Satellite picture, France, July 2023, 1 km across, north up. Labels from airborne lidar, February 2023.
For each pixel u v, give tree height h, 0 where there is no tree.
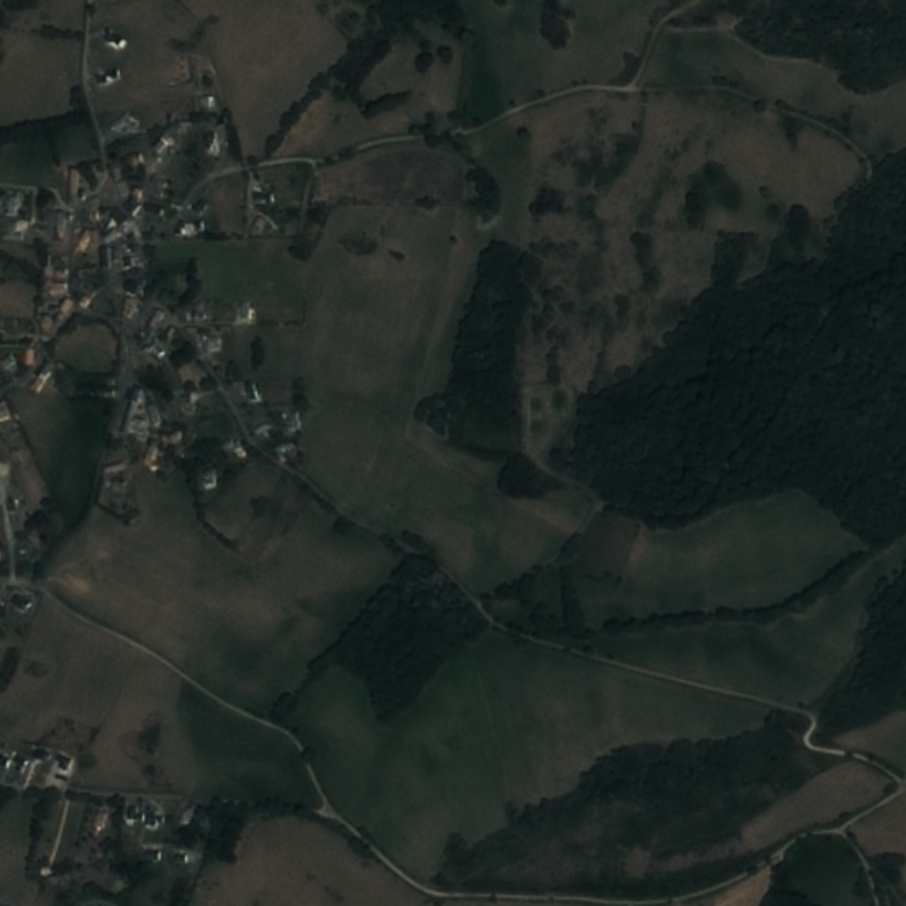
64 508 0
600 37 0
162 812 0
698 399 7
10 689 0
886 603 15
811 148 0
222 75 0
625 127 0
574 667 0
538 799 0
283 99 0
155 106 0
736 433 16
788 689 0
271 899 0
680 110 0
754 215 0
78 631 0
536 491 10
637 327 0
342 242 0
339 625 0
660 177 0
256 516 0
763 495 10
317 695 0
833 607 0
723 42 0
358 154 7
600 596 0
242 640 0
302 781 0
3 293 0
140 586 0
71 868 9
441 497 0
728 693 0
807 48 8
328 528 0
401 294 0
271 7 0
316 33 0
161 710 0
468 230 0
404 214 0
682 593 0
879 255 12
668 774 12
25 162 0
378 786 0
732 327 22
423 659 20
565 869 0
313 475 0
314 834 0
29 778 0
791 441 13
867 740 0
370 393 0
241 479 0
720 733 0
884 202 11
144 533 0
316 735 0
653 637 0
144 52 0
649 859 0
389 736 0
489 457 0
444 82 0
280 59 0
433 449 0
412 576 17
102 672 0
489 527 0
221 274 0
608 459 10
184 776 0
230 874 0
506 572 0
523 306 16
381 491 0
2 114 0
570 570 13
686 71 0
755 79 0
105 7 0
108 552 0
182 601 0
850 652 0
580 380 0
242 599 0
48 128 14
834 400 15
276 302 0
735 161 0
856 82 6
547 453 0
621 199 0
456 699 0
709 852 0
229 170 0
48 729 0
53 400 0
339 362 0
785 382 17
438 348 0
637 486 13
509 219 0
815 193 0
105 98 0
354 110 0
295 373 0
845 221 11
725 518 0
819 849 0
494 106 0
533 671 0
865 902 0
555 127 0
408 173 0
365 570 0
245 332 0
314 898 0
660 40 0
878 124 0
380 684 14
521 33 0
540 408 0
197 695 0
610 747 0
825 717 6
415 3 17
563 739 0
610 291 0
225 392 0
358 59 9
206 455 6
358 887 0
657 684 0
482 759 0
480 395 16
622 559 0
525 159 0
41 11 0
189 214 0
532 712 0
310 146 0
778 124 0
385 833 0
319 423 0
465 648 0
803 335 17
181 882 0
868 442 14
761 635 0
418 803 0
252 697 0
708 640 0
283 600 0
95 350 0
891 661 8
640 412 15
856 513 14
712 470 22
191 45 0
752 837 0
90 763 0
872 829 0
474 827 0
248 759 0
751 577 0
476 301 12
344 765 0
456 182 0
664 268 0
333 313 0
